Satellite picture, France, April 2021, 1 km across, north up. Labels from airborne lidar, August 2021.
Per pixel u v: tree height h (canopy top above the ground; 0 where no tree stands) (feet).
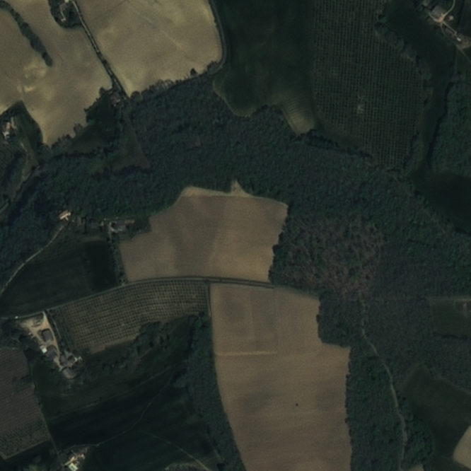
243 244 0
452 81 31
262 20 0
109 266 0
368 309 60
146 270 0
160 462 0
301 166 72
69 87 0
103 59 30
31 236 66
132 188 82
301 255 70
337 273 55
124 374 0
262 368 0
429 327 59
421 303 57
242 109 0
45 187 62
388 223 66
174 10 0
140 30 0
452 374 58
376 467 53
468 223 0
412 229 73
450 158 80
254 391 0
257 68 0
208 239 0
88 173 74
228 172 52
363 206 47
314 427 0
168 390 0
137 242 0
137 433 0
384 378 91
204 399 52
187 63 0
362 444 60
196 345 80
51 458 0
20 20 52
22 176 53
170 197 72
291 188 60
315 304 0
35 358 45
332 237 64
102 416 0
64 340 17
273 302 0
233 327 0
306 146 73
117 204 86
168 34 0
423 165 0
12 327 41
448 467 0
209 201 0
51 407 0
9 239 51
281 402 0
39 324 0
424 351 50
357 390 76
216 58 0
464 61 0
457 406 0
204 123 29
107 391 0
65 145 54
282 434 0
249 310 0
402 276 51
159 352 0
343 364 0
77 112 0
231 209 0
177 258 0
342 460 0
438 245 57
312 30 0
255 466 0
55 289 0
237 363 0
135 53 0
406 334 56
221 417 54
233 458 61
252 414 0
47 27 0
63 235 23
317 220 53
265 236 0
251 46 0
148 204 58
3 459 0
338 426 0
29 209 73
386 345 69
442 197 0
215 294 0
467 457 0
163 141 51
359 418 75
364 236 65
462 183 0
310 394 0
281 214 0
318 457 0
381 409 81
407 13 0
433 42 0
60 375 41
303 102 0
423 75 62
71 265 0
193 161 45
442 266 54
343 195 44
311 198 62
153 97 54
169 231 0
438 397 0
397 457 73
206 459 0
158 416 0
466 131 98
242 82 0
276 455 0
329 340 61
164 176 54
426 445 51
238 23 0
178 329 0
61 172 82
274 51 0
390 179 45
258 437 0
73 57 0
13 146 55
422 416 0
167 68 0
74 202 68
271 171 71
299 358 0
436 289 63
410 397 0
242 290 0
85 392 0
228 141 49
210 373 59
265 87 0
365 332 68
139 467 0
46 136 0
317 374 0
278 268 55
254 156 52
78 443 0
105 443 0
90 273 21
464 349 59
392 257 56
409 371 74
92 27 0
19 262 48
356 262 58
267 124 48
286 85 0
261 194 38
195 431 0
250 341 0
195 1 0
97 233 23
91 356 0
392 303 56
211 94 48
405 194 81
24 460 0
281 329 0
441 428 0
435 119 0
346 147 0
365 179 41
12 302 0
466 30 0
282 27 0
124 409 0
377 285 62
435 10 0
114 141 43
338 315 72
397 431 78
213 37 0
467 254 77
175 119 61
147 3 0
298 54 0
